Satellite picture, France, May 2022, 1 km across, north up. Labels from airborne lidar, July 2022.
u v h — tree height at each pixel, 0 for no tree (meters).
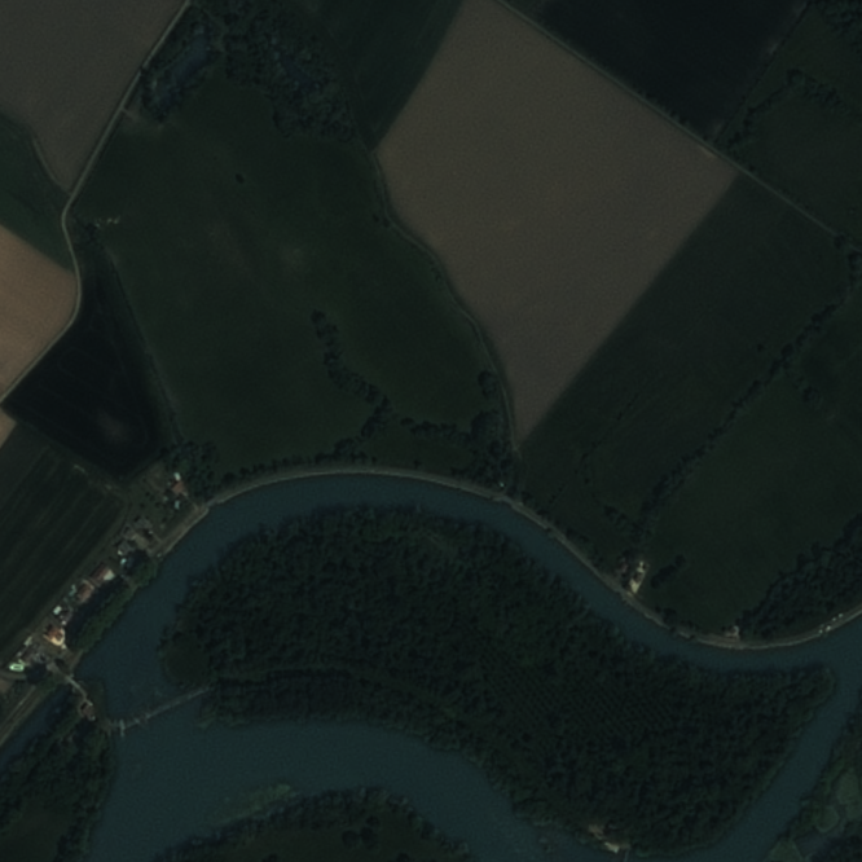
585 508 0
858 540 19
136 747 0
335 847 0
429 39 0
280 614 14
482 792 0
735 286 0
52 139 0
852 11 9
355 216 0
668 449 0
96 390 0
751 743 12
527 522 0
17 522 0
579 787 28
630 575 7
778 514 0
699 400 0
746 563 0
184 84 20
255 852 0
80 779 25
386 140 0
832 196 0
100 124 0
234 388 0
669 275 0
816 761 0
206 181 0
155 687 0
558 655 9
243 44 20
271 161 0
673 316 0
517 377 0
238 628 22
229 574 11
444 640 9
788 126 0
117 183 0
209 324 0
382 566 30
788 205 0
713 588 0
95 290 0
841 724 0
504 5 0
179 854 14
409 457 0
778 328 0
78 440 0
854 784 0
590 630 13
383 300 0
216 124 0
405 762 0
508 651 16
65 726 27
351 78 0
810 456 0
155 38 0
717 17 0
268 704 31
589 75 0
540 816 19
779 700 24
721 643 0
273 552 21
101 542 0
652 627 0
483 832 0
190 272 0
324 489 0
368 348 0
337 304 0
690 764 12
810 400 15
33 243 0
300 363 0
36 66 0
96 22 0
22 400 0
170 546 0
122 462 0
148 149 0
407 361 0
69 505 0
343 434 0
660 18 0
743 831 0
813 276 0
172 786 0
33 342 0
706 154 0
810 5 8
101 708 0
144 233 0
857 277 14
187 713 0
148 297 0
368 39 0
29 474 0
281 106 20
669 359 0
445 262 0
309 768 0
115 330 0
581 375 0
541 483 0
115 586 15
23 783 9
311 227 0
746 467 0
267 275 0
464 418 0
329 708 25
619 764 15
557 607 16
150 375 0
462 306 0
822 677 22
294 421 0
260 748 0
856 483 0
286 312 0
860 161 0
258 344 0
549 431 0
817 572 14
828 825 0
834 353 0
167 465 11
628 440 0
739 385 0
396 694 7
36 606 0
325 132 22
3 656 0
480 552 20
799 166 0
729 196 0
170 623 0
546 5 0
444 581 26
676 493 16
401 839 0
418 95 0
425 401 0
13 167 0
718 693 7
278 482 0
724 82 0
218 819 0
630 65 0
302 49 18
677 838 7
